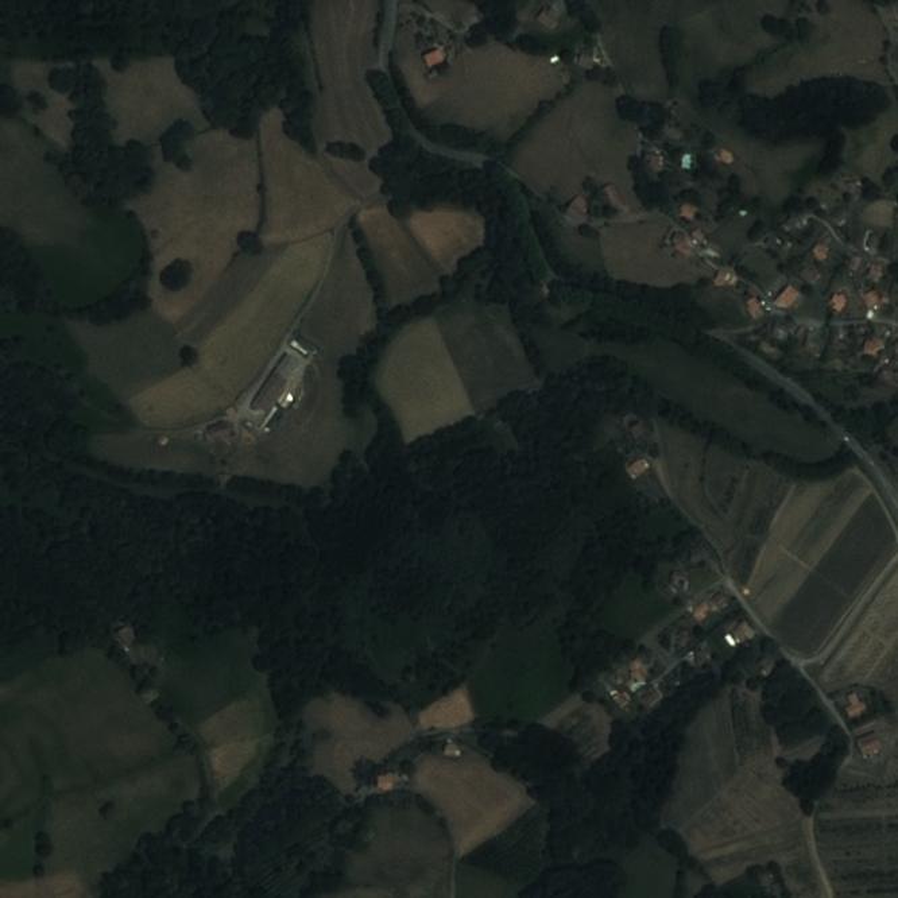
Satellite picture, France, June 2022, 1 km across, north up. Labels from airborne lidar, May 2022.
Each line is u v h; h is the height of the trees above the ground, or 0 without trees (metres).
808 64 0
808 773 23
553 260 12
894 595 0
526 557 9
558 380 11
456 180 12
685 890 8
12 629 17
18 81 0
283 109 18
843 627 0
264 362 0
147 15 16
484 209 16
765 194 0
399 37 0
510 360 0
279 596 19
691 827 0
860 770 0
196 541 24
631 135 0
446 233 0
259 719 0
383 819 0
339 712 0
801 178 0
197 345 0
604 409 13
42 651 0
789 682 17
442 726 0
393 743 0
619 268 0
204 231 0
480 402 0
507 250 34
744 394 0
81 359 0
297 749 10
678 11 0
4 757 0
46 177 0
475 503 11
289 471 0
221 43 21
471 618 6
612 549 22
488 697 0
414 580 14
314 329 0
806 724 16
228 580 33
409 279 0
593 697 11
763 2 0
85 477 10
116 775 0
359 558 14
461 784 0
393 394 0
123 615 16
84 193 17
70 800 0
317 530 24
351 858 0
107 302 16
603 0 0
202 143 0
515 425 14
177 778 0
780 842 0
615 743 20
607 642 19
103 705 0
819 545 0
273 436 0
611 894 22
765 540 0
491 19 16
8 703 0
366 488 26
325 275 0
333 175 0
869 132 0
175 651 0
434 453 22
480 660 0
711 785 0
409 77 0
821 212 13
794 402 0
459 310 0
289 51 30
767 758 0
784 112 18
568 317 0
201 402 0
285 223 0
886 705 10
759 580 0
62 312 7
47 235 0
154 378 0
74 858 0
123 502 21
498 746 18
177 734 11
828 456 0
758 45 0
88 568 25
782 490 0
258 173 0
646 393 19
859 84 24
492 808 0
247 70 20
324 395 0
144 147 19
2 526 24
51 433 25
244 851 22
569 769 7
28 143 0
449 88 0
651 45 0
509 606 16
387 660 0
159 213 0
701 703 13
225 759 0
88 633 16
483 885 0
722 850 0
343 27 0
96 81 25
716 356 26
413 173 15
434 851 0
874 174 0
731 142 0
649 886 0
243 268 0
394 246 0
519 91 0
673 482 0
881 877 5
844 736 14
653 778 26
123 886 26
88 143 12
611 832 27
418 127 14
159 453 0
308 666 14
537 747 26
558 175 0
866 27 0
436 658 11
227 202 0
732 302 0
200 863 31
